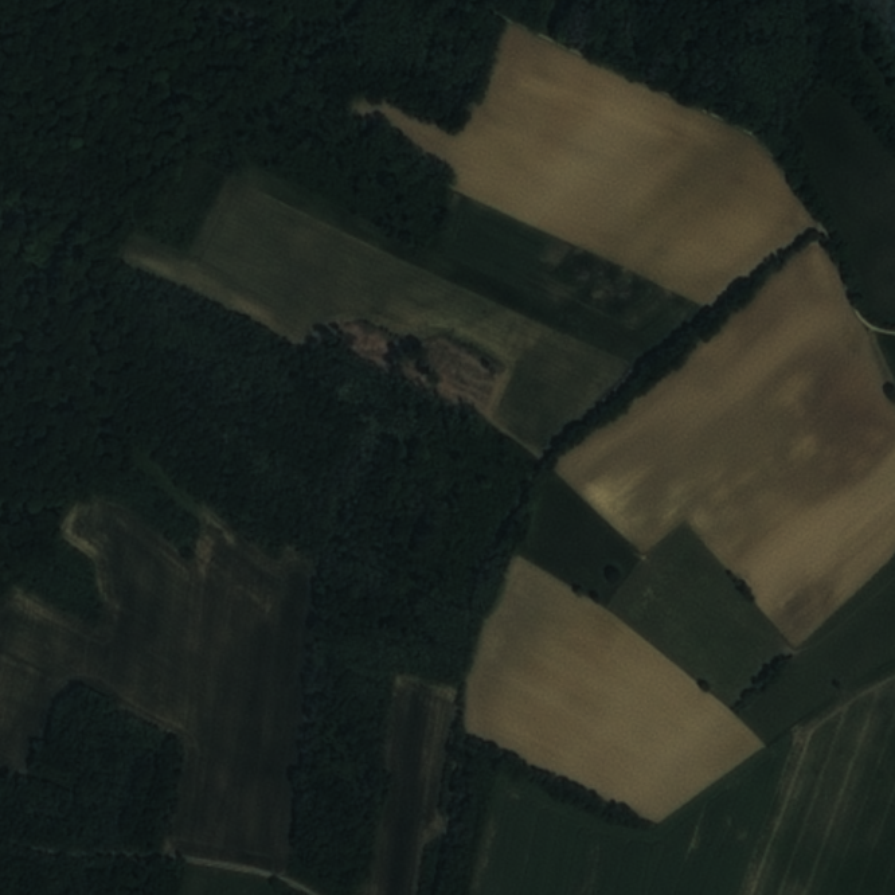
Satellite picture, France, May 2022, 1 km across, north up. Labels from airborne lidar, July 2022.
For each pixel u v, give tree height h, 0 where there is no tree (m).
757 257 0
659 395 0
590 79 0
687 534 0
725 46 27
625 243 0
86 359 32
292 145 5
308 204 0
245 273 0
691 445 0
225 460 24
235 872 0
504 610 0
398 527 32
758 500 0
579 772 0
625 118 0
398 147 24
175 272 0
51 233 25
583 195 0
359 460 30
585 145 0
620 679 0
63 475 28
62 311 32
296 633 0
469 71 22
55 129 25
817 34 20
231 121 29
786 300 0
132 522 0
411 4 21
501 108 0
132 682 0
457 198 0
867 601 0
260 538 19
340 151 10
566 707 0
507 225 0
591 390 0
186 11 25
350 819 25
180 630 0
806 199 17
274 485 27
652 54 30
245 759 0
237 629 0
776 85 26
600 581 0
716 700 0
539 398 0
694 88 27
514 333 0
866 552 0
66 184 22
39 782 14
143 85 27
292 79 7
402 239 19
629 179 0
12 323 33
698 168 0
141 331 31
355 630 24
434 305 0
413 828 0
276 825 0
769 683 13
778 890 0
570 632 0
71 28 30
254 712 0
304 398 24
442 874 17
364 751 19
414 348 0
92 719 17
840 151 0
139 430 27
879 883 0
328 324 0
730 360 0
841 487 0
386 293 0
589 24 27
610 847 0
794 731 0
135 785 20
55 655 0
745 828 0
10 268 29
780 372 0
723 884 0
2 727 0
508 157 0
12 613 0
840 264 8
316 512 26
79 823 14
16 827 15
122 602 0
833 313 0
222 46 22
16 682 0
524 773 16
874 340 0
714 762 0
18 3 24
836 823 0
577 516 0
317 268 0
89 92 22
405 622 21
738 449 0
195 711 0
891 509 0
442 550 6
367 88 26
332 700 19
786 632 0
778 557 0
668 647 0
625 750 0
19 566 22
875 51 20
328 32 20
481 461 10
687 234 0
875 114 23
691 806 0
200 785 0
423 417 26
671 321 0
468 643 17
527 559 0
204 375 26
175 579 0
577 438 17
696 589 0
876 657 0
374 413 27
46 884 17
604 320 0
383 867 0
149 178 24
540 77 0
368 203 8
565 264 0
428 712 0
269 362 30
